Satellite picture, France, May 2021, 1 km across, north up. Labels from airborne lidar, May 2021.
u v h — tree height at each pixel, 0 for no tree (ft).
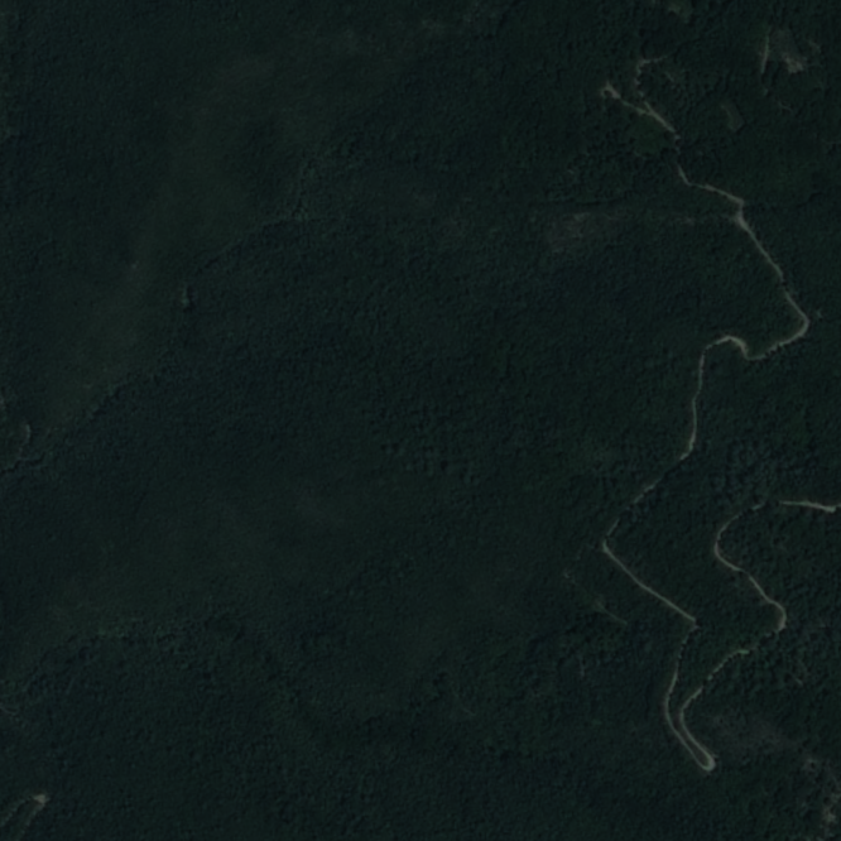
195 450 22
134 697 25
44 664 52
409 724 70
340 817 54
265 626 23
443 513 30
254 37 27
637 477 50
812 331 34
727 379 36
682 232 18
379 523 19
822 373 52
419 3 29
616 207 31
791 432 27
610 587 22
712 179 47
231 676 47
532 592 32
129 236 18
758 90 35
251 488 20
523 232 41
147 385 57
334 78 19
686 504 27
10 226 26
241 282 26
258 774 33
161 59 23
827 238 29
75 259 31
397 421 40
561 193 41
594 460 18
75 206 35
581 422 32
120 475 24
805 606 50
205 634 55
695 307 37
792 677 45
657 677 48
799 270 44
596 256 40
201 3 32
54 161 27
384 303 25
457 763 42
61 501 25
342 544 19
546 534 25
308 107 17
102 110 17
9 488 30
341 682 20
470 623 28
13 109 54
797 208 48
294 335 43
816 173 64
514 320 33
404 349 38
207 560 19
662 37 61
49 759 48
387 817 42
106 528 20
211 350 42
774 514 44
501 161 53
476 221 30
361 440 23
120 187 24
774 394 67
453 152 45
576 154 47
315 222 53
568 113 41
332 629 47
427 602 23
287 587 28
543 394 38
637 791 62
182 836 34
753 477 75
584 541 30
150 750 27
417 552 36
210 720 38
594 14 60
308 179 44
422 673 23
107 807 30
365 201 25
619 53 40
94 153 26
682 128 34
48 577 21
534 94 59
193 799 33
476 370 48
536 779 37
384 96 60
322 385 40
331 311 43
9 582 47
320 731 74
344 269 24
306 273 32
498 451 34
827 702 56
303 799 48
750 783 41
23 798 29
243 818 29
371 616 23
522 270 22
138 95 21
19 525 29
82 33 22
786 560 27
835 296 45
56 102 20
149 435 22
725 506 62
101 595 20
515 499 22
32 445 29
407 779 30
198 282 42
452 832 38
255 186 31
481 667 33
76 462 36
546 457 55
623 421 40
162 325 22
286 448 25
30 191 31
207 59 21
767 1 47
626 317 31
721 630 30
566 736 20
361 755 51
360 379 20
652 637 46
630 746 19
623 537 21
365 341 35
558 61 48
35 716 44
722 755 25
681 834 27
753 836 51
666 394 41
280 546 30
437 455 51
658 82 21
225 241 27
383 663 28
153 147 18
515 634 41
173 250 35
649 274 35
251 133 36
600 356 54
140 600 23
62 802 38
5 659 49
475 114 25
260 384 34
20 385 32
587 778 51
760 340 62
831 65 46
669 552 21
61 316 17
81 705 41
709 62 43
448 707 29
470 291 45
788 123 34
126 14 26
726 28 45
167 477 23
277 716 32
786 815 31
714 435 27
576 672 25
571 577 23
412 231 41
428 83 52
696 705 22
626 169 47
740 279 32
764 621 57
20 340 29
